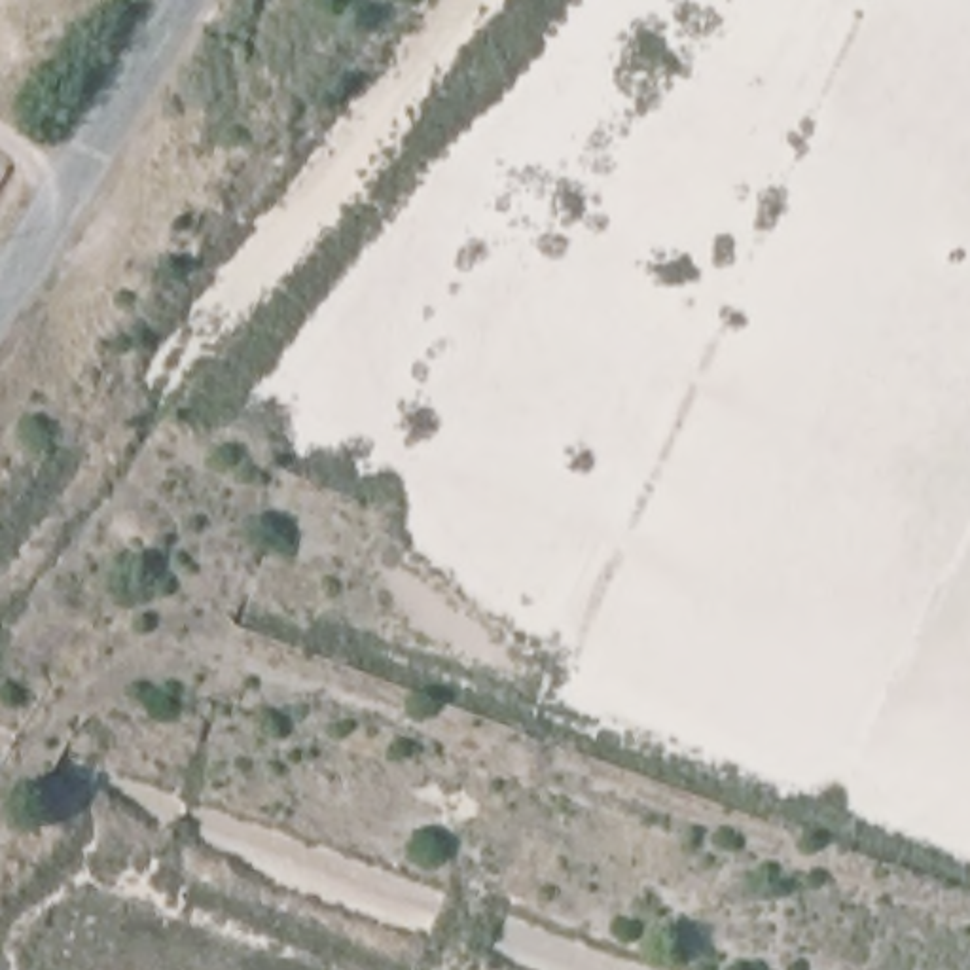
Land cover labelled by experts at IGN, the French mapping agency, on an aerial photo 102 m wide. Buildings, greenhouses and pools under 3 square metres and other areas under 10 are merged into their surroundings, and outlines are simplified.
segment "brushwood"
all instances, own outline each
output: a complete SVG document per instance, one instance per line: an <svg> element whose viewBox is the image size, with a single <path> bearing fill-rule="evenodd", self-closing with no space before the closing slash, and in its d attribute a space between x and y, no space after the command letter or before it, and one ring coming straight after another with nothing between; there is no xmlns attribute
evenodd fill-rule
<svg viewBox="0 0 970 970"><path fill-rule="evenodd" d="M91 887L83 887L80 898L53 906L30 928L30 936L19 943L19 970L239 970L254 947L208 936L193 925L163 921L152 906L136 898L95 894Z"/></svg>
<svg viewBox="0 0 970 970"><path fill-rule="evenodd" d="M943 928L928 917L925 940L906 936L890 943L883 970L970 970L970 925Z"/></svg>
<svg viewBox="0 0 970 970"><path fill-rule="evenodd" d="M42 455L38 474L19 470L8 485L0 485L0 568L19 553L30 527L49 515L49 504L80 470L83 455L76 447L61 447L49 458Z"/></svg>
<svg viewBox="0 0 970 970"><path fill-rule="evenodd" d="M458 837L451 830L424 826L409 837L413 860L443 864L458 853Z"/></svg>
<svg viewBox="0 0 970 970"><path fill-rule="evenodd" d="M250 311L250 318L231 330L224 341L212 345L212 356L201 356L189 368L178 390L155 386L148 394L148 405L129 424L133 432L125 451L114 466L106 466L99 489L72 512L72 519L61 523L53 546L64 553L76 542L83 523L125 481L159 421L216 428L235 421L246 398L254 394L254 386L280 364L280 352L296 341L314 307L360 258L360 250L383 231L383 224L394 220L402 201L417 189L421 174L428 171L428 163L440 159L451 140L458 140L458 133L474 125L474 117L496 106L504 91L515 87L515 80L530 68L534 57L542 57L546 38L565 19L565 8L572 0L500 0L500 15L489 27L481 27L458 49L447 76L432 83L428 99L421 102L421 117L409 125L402 148L386 148L386 167L375 174L368 193L345 205L337 227L330 227L314 243L314 250L273 288L273 296L261 299Z"/></svg>
<svg viewBox="0 0 970 970"><path fill-rule="evenodd" d="M239 602L239 629L292 644L311 659L349 663L390 686L402 686L409 697L424 697L432 686L424 674L383 659L383 637L368 629L318 618L307 629L299 629L250 602Z"/></svg>
<svg viewBox="0 0 970 970"><path fill-rule="evenodd" d="M743 875L750 898L818 890L830 879L826 868L788 871L777 860L769 860L758 871Z"/></svg>
<svg viewBox="0 0 970 970"><path fill-rule="evenodd" d="M394 500L405 489L394 470L360 474L360 458L349 443L296 455L288 474L307 477L318 489L333 489L364 508Z"/></svg>
<svg viewBox="0 0 970 970"><path fill-rule="evenodd" d="M0 693L11 682L11 674L4 671L4 648L11 640L11 625L27 614L30 599L15 587L8 599L0 599Z"/></svg>
<svg viewBox="0 0 970 970"><path fill-rule="evenodd" d="M436 970L421 955L398 962L345 936L326 932L314 921L299 921L258 902L239 902L224 890L197 883L186 906L208 909L224 921L239 921L243 928L303 947L296 962L311 970Z"/></svg>
<svg viewBox="0 0 970 970"><path fill-rule="evenodd" d="M709 925L678 917L652 890L633 902L629 917L614 917L610 925L618 936L640 940L652 951L648 966L656 970L769 970L765 962L735 962L724 951L716 951Z"/></svg>
<svg viewBox="0 0 970 970"><path fill-rule="evenodd" d="M618 735L606 731L584 735L572 728L557 728L546 716L512 709L470 690L455 690L451 709L470 712L477 728L508 724L519 728L527 739L553 739L557 746L568 746L580 758L599 758L618 769L629 769L640 754L633 746L621 746Z"/></svg>
<svg viewBox="0 0 970 970"><path fill-rule="evenodd" d="M762 822L784 822L803 837L799 849L807 853L830 845L841 853L868 856L875 864L875 879L909 871L917 879L932 879L947 890L970 894L970 860L959 860L906 834L890 834L875 822L864 822L849 811L849 796L837 784L811 796L781 796L765 781L743 777L731 762L705 765L663 750L640 773L648 781L712 799L724 811L746 811Z"/></svg>
<svg viewBox="0 0 970 970"><path fill-rule="evenodd" d="M227 163L224 171L224 208L193 212L189 231L201 243L201 250L189 254L193 273L174 277L174 269L159 261L152 273L152 314L140 322L152 326L159 337L171 337L189 318L189 307L197 299L205 296L205 288L212 288L216 269L231 261L235 250L254 235L258 216L284 201L288 186L307 167L311 152L326 144L337 117L330 106L322 106L326 91L337 91L349 72L364 72L371 83L386 76L398 42L424 27L424 11L436 0L398 0L379 30L364 30L345 0L212 0L220 8L220 23L205 27L205 42L189 72L178 80L167 114L205 106L201 136L212 148L243 144L246 155L239 163Z"/></svg>
<svg viewBox="0 0 970 970"><path fill-rule="evenodd" d="M15 894L0 894L0 906L19 917L72 871L117 879L117 871L125 868L140 871L148 860L159 860L159 849L167 845L174 822L155 818L140 799L125 796L117 784L110 784L106 773L80 769L72 758L61 758L53 769L34 777L45 818L53 826L61 826L57 849L34 868L34 875Z"/></svg>

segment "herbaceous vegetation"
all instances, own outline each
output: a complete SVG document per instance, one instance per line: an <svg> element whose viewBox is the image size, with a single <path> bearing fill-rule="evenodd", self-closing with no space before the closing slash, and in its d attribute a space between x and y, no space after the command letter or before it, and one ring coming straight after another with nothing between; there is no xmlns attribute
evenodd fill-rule
<svg viewBox="0 0 970 970"><path fill-rule="evenodd" d="M398 0L345 0L364 30L379 30Z"/></svg>
<svg viewBox="0 0 970 970"><path fill-rule="evenodd" d="M614 68L614 83L625 99L637 102L637 114L644 117L671 91L674 76L686 76L690 68L682 68L682 61L667 49L663 34L637 30L633 45L621 53Z"/></svg>
<svg viewBox="0 0 970 970"><path fill-rule="evenodd" d="M371 83L364 72L349 72L337 91L326 91L322 106L330 106L337 117Z"/></svg>
<svg viewBox="0 0 970 970"><path fill-rule="evenodd" d="M15 125L15 95L27 83L30 68L57 49L68 23L87 19L87 8L80 0L0 0L0 121Z"/></svg>
<svg viewBox="0 0 970 970"><path fill-rule="evenodd" d="M405 421L405 440L428 440L436 432L436 413L402 402L398 413Z"/></svg>
<svg viewBox="0 0 970 970"><path fill-rule="evenodd" d="M30 189L15 163L0 171L0 216L11 220L19 197Z"/></svg>
<svg viewBox="0 0 970 970"><path fill-rule="evenodd" d="M197 299L189 307L189 318L171 337L159 337L152 326L140 322L152 314L152 273L159 261L174 269L174 277L193 273L189 254L201 250L201 243L189 231L193 212L224 208L224 171L227 163L239 163L246 155L243 144L212 148L201 136L205 106L167 114L178 80L189 72L205 42L205 27L220 23L220 8L212 0L205 0L189 23L182 49L174 53L171 68L163 72L163 80L155 83L152 99L129 129L125 167L114 186L114 197L87 227L83 243L64 254L68 265L76 265L76 273L45 277L34 299L15 314L8 337L0 341L0 485L8 485L19 470L38 474L42 455L49 458L61 447L76 447L83 455L80 470L49 504L49 515L30 527L19 553L0 568L0 599L8 599L15 587L30 599L27 614L11 625L11 640L4 648L4 671L11 674L11 682L0 693L0 894L15 894L34 875L34 868L57 849L61 826L53 826L15 830L8 822L4 803L11 799L11 788L34 777L53 769L61 758L72 758L80 769L106 773L110 784L117 784L136 781L159 792L178 792L182 803L220 811L246 826L269 826L307 849L333 849L356 864L443 890L447 902L432 928L402 928L371 913L349 909L341 902L326 902L318 894L277 883L239 853L205 841L197 818L178 815L174 822L167 845L159 849L159 860L148 860L140 871L125 868L117 871L117 879L72 871L19 917L0 906L0 970L19 970L19 943L30 936L30 928L53 906L80 898L83 887L91 887L95 894L136 898L152 906L163 921L193 925L208 936L254 947L239 970L311 970L296 962L303 947L243 928L239 921L224 921L208 909L186 906L197 883L224 890L239 902L258 902L299 921L314 921L326 932L345 936L398 962L421 955L436 970L530 970L500 951L508 921L527 921L546 936L576 940L587 951L648 966L652 951L640 940L618 936L610 925L614 917L629 917L633 902L652 890L678 917L709 925L716 951L724 951L735 962L765 962L769 970L883 970L890 943L906 936L925 940L928 917L943 928L970 925L970 894L947 890L932 879L917 879L909 871L875 879L875 864L868 856L841 853L830 845L807 853L799 849L803 837L784 822L762 822L746 811L724 811L712 799L648 781L640 773L663 750L644 731L618 735L621 746L633 746L640 754L629 769L618 769L599 758L580 758L568 746L557 746L553 739L527 739L519 728L508 724L477 728L470 712L451 709L455 690L470 690L512 709L546 716L557 728L572 728L584 735L606 731L602 720L576 712L561 701L565 663L557 633L534 637L523 633L512 618L485 610L474 595L466 595L466 587L447 568L432 565L413 546L405 489L394 500L364 508L333 489L318 489L307 477L288 474L296 455L284 405L277 398L254 394L246 398L235 421L216 428L159 421L125 481L83 523L76 542L64 553L53 546L61 523L72 519L72 512L99 489L106 466L114 466L125 451L133 432L129 424L148 405L148 394L155 386L178 390L189 368L201 356L212 356L212 345L224 341L231 330L224 326L224 314L205 311ZM428 584L447 610L458 610L462 618L481 625L481 633L508 652L512 671L500 678L493 667L451 659L451 644L432 640L394 602L394 595L383 584L390 568ZM424 697L409 697L402 686L390 686L349 663L311 659L292 644L239 629L239 602L250 602L299 629L307 629L318 618L368 629L383 637L383 659L424 674L432 686ZM451 830L458 837L458 853L443 864L413 860L409 837L424 826ZM830 879L818 890L750 898L743 875L758 871L769 860L777 860L788 871L826 868Z"/></svg>

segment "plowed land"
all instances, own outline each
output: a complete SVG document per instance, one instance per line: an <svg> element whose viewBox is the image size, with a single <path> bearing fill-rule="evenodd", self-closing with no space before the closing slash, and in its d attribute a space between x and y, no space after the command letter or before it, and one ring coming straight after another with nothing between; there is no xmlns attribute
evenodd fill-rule
<svg viewBox="0 0 970 970"><path fill-rule="evenodd" d="M15 125L0 121L0 171L15 163L30 189L42 205L61 197L57 171L42 144L23 136Z"/></svg>

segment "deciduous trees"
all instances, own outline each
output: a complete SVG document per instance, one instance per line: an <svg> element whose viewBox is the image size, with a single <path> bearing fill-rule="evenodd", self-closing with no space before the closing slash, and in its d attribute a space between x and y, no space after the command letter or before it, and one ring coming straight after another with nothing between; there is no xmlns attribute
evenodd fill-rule
<svg viewBox="0 0 970 970"><path fill-rule="evenodd" d="M155 0L80 0L87 8L87 19L68 23L57 49L30 68L27 83L15 95L15 125L23 136L42 144L61 144L80 129L83 114L114 83L136 27L148 19L148 8Z"/></svg>
<svg viewBox="0 0 970 970"><path fill-rule="evenodd" d="M53 826L45 818L34 777L11 788L11 799L4 803L8 822L15 830Z"/></svg>

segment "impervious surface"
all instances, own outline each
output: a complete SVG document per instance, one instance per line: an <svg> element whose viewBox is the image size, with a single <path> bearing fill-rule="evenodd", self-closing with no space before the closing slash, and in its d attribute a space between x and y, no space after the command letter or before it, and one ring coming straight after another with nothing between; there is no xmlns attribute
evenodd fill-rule
<svg viewBox="0 0 970 970"><path fill-rule="evenodd" d="M64 254L83 243L87 227L114 197L114 186L125 167L129 129L152 99L155 83L163 80L163 72L171 68L174 53L182 49L189 23L205 0L155 0L148 8L148 19L136 27L114 83L83 114L80 129L61 144L42 144L57 171L61 197L42 205L30 189L19 197L11 220L0 216L0 341L8 337L15 314L34 299L45 277L76 273L76 265L68 265Z"/></svg>

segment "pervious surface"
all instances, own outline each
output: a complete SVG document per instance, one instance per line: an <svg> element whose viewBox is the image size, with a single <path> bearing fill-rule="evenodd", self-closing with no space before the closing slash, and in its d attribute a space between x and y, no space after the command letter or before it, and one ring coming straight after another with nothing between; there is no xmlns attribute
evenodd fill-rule
<svg viewBox="0 0 970 970"><path fill-rule="evenodd" d="M371 913L402 928L432 928L447 902L443 890L356 864L333 849L307 849L269 826L246 826L220 811L182 803L178 792L159 792L136 781L117 784L125 796L140 799L155 818L174 822L178 815L197 818L205 841L239 853L277 883L318 894L326 902L341 902L349 909Z"/></svg>
<svg viewBox="0 0 970 970"><path fill-rule="evenodd" d="M311 152L307 167L288 186L284 201L258 216L254 235L235 250L231 261L216 269L212 288L205 288L205 296L197 299L205 311L224 314L224 326L231 330L250 318L250 311L261 299L273 296L273 288L314 250L314 243L330 227L337 227L345 205L368 193L375 174L386 167L386 148L402 148L409 125L421 117L421 102L428 99L432 83L447 76L458 49L481 27L489 27L500 15L500 0L436 0L424 11L424 27L398 42L386 76L371 83L337 117L326 144Z"/></svg>
<svg viewBox="0 0 970 970"><path fill-rule="evenodd" d="M625 99L614 83L614 68L621 53L633 45L637 30L663 34L667 49L682 61L682 68L690 68L686 76L674 76L671 91L644 117L637 114L637 102ZM970 860L970 0L572 0L565 8L565 19L546 38L542 57L534 57L530 68L515 80L515 87L504 91L496 106L474 117L474 125L458 133L458 140L451 140L440 159L428 163L428 171L421 174L417 189L402 201L394 220L383 224L383 231L360 250L360 258L314 307L296 341L280 352L280 364L254 386L254 394L277 398L284 405L296 455L349 443L360 458L360 474L394 470L405 489L413 546L432 565L447 568L466 587L466 595L474 595L485 610L512 618L523 633L534 637L557 633L565 663L561 701L576 712L602 720L606 731L618 735L644 731L663 750L705 765L731 762L743 777L765 781L781 796L811 796L837 784L849 796L849 811L864 822L875 822L890 834L906 834L959 860ZM398 413L402 402L436 413L436 432L428 440L405 440L405 421Z"/></svg>
<svg viewBox="0 0 970 970"><path fill-rule="evenodd" d="M546 936L527 921L508 921L500 951L530 970L656 970L648 966L587 951L576 940Z"/></svg>
<svg viewBox="0 0 970 970"><path fill-rule="evenodd" d="M493 667L500 678L512 671L508 652L481 633L481 625L462 618L458 610L447 610L428 584L390 568L383 584L394 595L394 602L432 640L451 644L451 659Z"/></svg>

